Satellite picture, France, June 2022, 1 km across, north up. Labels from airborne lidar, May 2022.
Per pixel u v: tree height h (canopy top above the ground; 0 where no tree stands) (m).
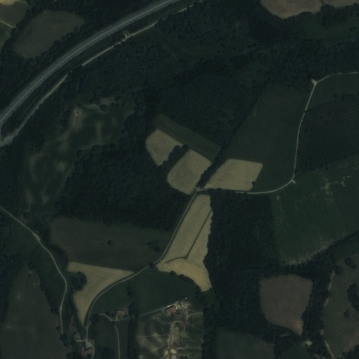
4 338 0
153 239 0
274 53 21
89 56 10
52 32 0
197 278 0
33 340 0
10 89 15
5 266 32
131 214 9
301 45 12
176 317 0
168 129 0
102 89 22
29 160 0
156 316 0
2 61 25
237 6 17
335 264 9
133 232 0
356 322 0
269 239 7
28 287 0
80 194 11
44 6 21
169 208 8
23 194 0
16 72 27
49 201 0
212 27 7
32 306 0
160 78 22
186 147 18
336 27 0
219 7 33
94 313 0
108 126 0
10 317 0
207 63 29
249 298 21
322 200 0
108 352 18
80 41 6
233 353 0
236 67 12
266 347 0
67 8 16
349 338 0
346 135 13
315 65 23
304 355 0
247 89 15
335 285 0
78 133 0
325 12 20
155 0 19
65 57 0
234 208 8
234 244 10
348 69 21
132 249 0
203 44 29
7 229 29
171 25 21
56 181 0
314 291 15
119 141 7
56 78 8
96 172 11
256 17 23
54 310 14
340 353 0
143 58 28
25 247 0
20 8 0
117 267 0
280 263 7
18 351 0
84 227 0
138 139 21
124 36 12
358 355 9
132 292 8
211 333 18
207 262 17
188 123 11
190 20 29
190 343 0
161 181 8
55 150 0
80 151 15
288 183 0
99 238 0
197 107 16
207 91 21
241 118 14
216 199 21
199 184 10
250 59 8
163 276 0
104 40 9
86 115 0
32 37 0
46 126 12
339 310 0
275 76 26
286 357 0
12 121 16
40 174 0
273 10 0
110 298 0
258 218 9
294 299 0
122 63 27
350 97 14
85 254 0
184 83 17
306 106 0
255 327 26
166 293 0
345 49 21
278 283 0
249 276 19
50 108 12
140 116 21
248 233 8
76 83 24
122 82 27
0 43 0
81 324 6
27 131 13
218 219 20
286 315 0
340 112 13
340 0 0
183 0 8
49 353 0
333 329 0
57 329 13
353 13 18
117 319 0
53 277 0
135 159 21
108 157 20
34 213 0
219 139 7
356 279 0
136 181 22
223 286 21
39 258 0
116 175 24
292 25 29
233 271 20
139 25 12
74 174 18
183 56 0
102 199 9
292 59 19
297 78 26
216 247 11
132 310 17
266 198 7
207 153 0
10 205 7
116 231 0
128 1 22
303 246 0
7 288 32
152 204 20
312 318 20
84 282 13
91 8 21
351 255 0
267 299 0
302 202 0
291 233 0
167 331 0
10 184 12
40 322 0
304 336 16
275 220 0
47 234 7
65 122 19
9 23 0
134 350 13
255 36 38
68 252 0
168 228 15
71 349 0
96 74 27
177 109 21
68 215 8
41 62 23
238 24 24
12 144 7
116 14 10
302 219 0
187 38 30
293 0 0
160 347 0
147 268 0
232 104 6
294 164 0
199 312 0
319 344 9
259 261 9
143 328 0
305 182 0
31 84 0
